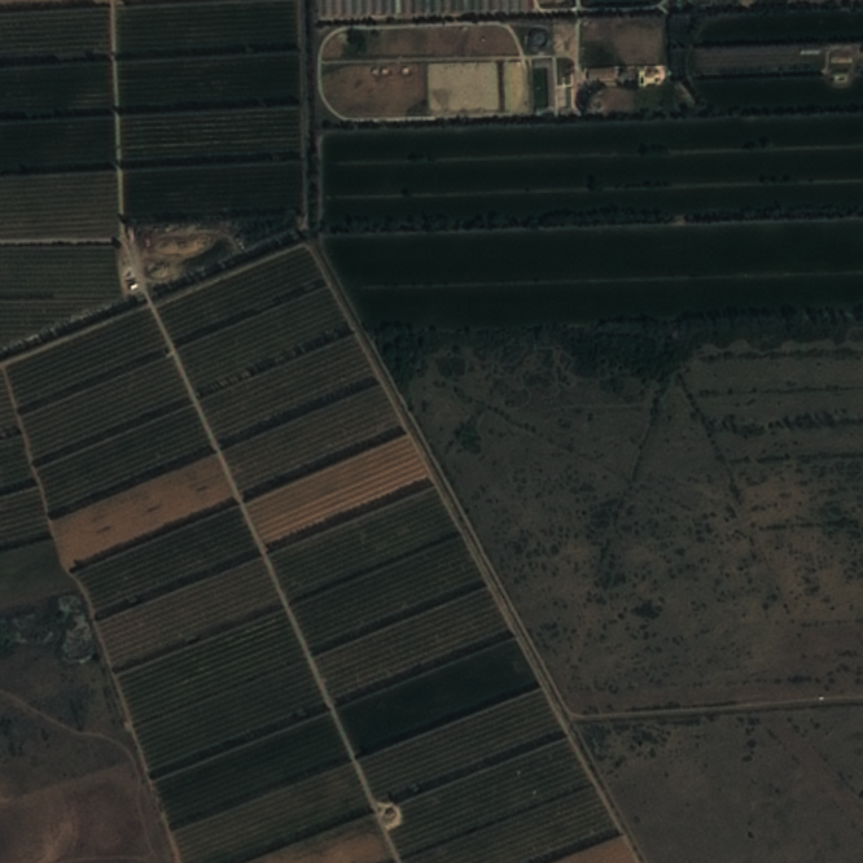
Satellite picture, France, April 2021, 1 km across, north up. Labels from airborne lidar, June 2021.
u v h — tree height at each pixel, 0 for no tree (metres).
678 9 9
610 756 0
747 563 0
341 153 0
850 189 0
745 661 0
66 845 0
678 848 0
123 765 0
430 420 0
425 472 0
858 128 0
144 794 0
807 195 0
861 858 0
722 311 0
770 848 0
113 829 0
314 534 18
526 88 0
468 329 8
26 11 21
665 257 0
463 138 0
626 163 0
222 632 14
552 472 0
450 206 0
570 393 0
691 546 0
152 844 0
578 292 0
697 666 0
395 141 0
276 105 18
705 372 0
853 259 0
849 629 0
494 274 0
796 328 21
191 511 0
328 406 19
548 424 0
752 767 0
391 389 0
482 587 14
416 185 0
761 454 0
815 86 0
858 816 0
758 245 0
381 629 15
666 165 0
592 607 0
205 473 0
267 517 0
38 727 0
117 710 0
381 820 0
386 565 9
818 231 0
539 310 0
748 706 0
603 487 0
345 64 0
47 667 0
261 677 7
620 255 0
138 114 21
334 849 0
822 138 0
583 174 0
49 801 0
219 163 21
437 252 0
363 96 0
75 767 0
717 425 10
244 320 14
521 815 7
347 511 0
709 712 0
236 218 15
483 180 0
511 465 0
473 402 7
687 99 0
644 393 5
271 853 14
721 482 0
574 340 7
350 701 16
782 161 0
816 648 0
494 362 0
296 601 10
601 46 0
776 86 0
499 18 9
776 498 0
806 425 16
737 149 0
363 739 0
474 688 0
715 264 0
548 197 0
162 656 13
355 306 0
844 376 0
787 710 0
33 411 14
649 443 0
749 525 0
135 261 0
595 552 0
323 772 13
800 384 0
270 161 19
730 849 0
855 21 0
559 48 0
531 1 0
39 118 8
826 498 0
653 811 0
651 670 0
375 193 0
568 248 0
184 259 0
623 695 0
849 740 0
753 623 0
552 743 15
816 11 9
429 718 0
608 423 0
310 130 6
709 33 0
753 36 0
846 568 0
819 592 0
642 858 0
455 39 0
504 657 0
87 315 0
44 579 0
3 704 0
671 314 0
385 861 0
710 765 0
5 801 0
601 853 0
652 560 0
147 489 0
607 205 0
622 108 0
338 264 0
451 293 0
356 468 0
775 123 0
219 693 6
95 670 0
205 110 21
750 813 0
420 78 0
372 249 0
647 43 0
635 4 7
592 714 0
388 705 0
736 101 0
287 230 5
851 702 0
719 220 14
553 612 0
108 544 0
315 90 7
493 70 0
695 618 0
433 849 7
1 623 7
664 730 0
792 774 0
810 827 0
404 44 0
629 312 0
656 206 0
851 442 0
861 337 0
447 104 0
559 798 7
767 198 0
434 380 0
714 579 0
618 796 0
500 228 11
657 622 0
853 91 0
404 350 9
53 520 14
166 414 14
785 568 0
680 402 0
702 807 0
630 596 0
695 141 0
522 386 0
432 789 16
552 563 0
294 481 18
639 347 10
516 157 0
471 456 0
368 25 10
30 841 0
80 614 0
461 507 0
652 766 0
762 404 0
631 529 0
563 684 0
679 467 0
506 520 0
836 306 0
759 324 24
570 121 14
